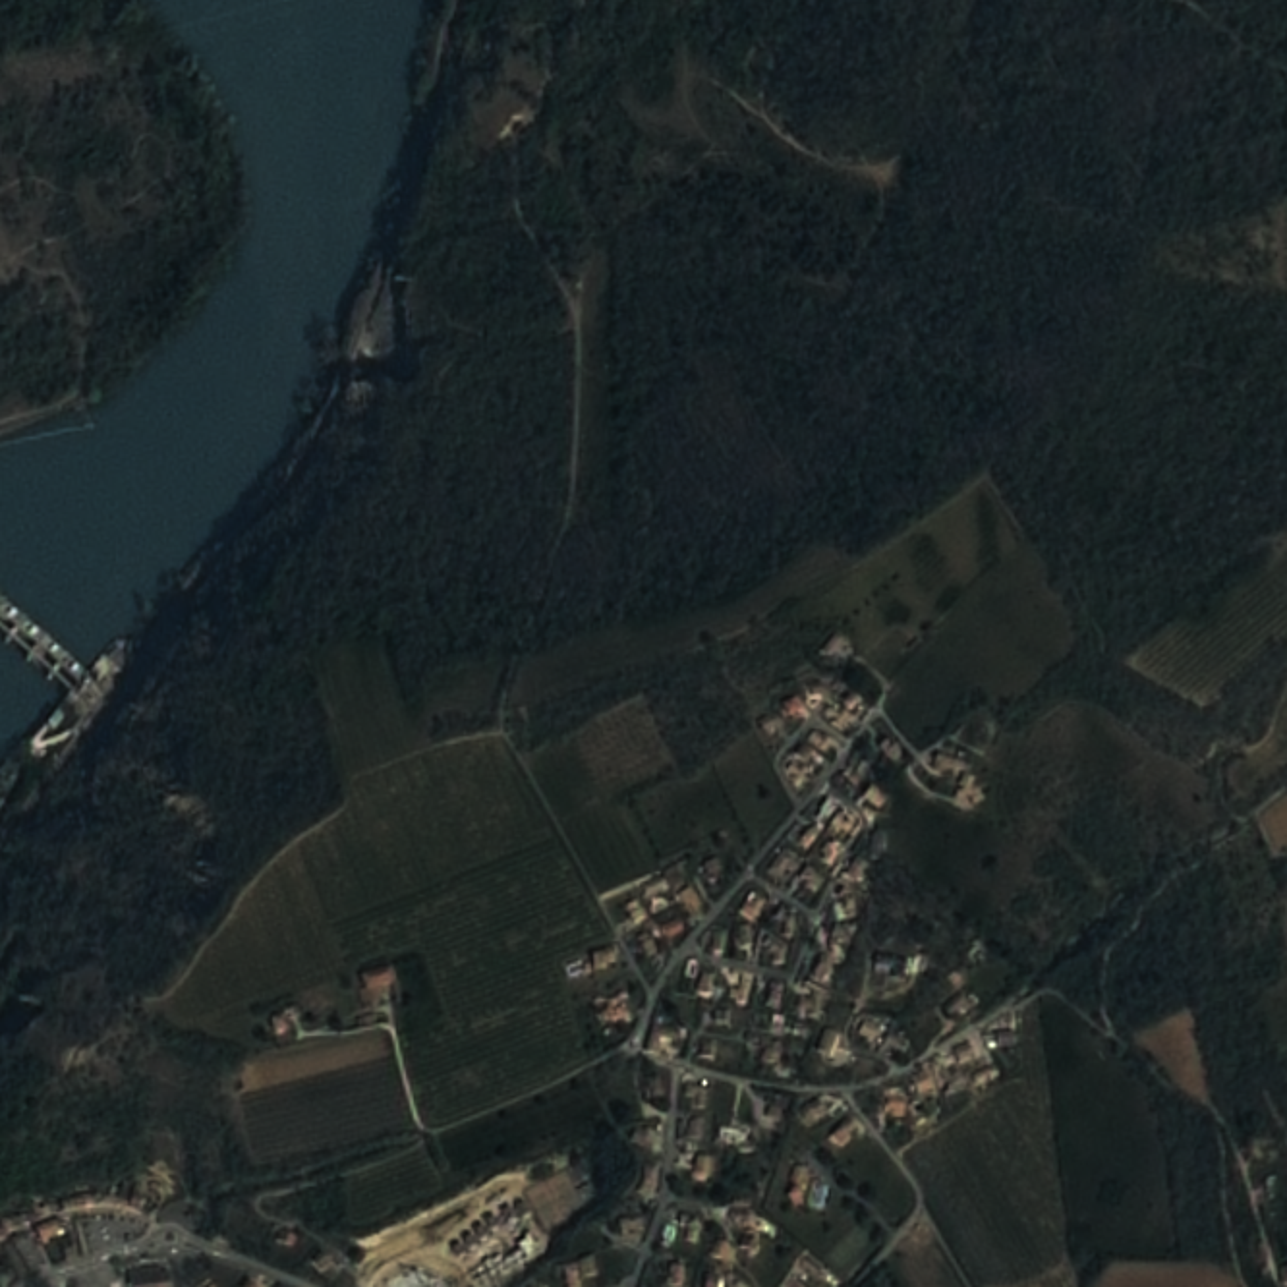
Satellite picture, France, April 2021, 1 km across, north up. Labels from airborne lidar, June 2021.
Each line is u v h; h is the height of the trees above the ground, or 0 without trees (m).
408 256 7
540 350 9
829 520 13
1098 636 7
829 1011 11
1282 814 0
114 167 11
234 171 13
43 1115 7
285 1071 0
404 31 0
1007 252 15
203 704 8
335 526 14
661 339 15
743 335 13
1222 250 12
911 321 15
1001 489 10
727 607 0
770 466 13
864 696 8
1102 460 7
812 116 13
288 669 9
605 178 10
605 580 14
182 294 16
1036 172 13
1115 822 13
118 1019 7
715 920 0
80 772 13
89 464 0
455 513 14
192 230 19
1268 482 18
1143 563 15
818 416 13
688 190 8
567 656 0
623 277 13
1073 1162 0
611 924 0
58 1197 8
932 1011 8
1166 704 10
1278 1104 15
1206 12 11
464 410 12
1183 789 0
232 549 13
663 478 19
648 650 0
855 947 16
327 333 23
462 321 7
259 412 0
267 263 0
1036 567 0
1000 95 9
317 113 0
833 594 0
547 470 7
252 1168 8
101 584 0
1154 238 8
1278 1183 9
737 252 6
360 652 0
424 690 10
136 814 9
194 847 5
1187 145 13
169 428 0
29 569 0
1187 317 6
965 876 0
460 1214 0
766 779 0
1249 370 18
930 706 0
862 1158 0
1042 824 6
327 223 0
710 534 17
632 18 13
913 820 0
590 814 0
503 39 6
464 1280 0
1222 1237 10
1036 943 10
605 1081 9
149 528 0
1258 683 14
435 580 15
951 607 0
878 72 16
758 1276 0
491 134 0
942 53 16
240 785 9
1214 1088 12
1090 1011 9
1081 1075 0
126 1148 11
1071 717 0
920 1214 0
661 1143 0
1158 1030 12
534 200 12
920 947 14
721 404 8
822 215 10
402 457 19
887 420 8
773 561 9
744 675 8
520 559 17
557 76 10
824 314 13
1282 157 8
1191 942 7
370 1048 0
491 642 10
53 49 12
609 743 6
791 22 8
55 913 11
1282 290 8
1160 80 16
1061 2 12
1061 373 13
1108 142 12
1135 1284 0
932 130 14
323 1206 10
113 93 7
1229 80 10
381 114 0
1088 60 8
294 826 11
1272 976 9
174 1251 0
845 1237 0
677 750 11
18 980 12
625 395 8
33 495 0
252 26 0
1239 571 10
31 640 0
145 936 7
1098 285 10
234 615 16
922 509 11
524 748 7
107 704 0
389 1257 0
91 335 8
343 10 0
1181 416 13
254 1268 0
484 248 10
